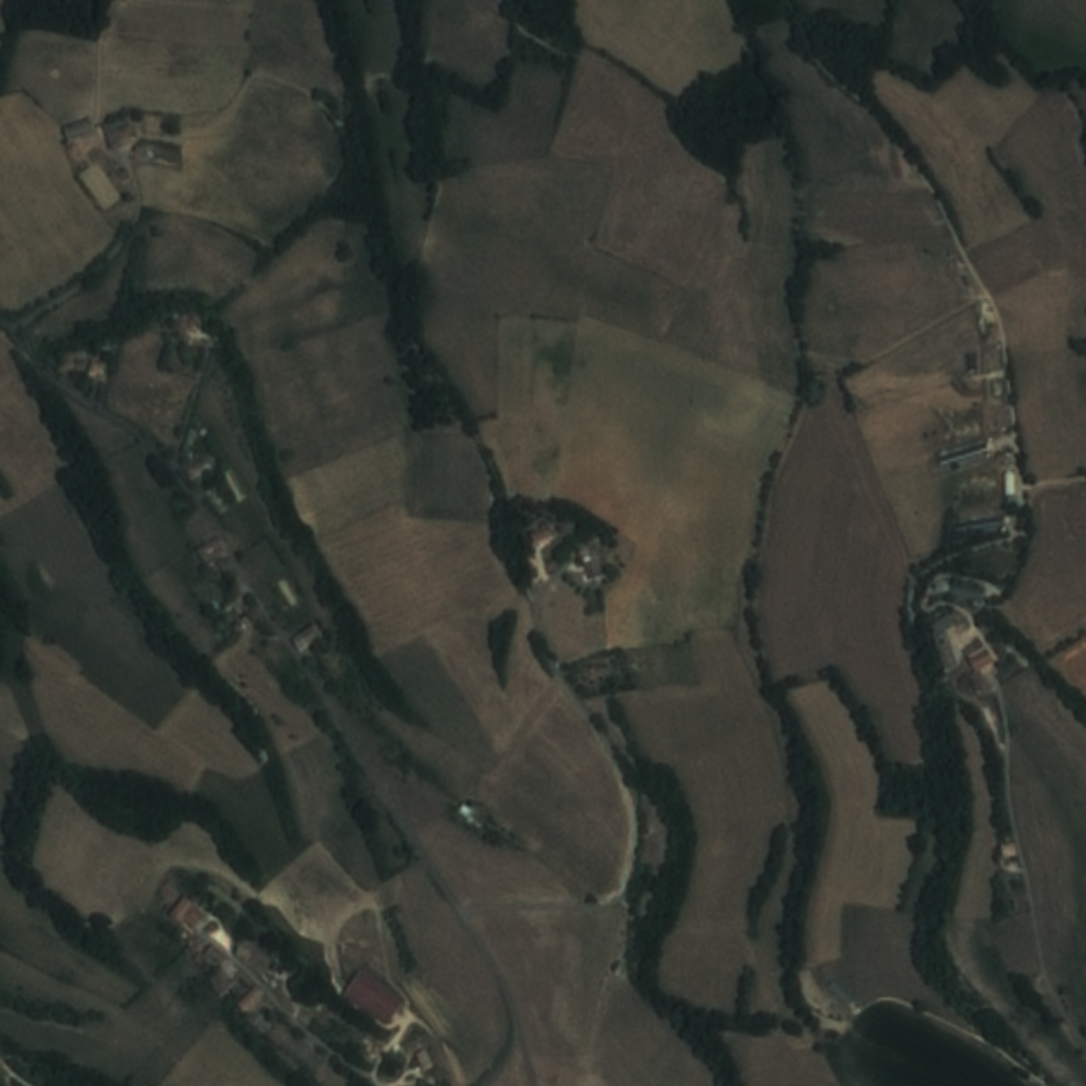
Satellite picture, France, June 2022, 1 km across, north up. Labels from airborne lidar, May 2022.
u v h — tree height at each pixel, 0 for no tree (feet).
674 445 0
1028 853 0
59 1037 0
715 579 0
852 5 0
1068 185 0
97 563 0
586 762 0
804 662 0
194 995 18
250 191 0
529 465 0
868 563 0
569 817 0
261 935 26
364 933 0
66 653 0
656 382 0
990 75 55
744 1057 0
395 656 0
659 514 0
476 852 0
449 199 0
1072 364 0
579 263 0
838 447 0
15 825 54
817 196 0
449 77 48
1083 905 0
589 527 43
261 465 33
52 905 54
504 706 0
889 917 0
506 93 43
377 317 0
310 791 0
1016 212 0
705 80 54
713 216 0
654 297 0
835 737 0
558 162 0
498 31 0
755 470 0
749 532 0
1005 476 0
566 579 29
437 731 0
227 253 0
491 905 0
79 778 46
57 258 0
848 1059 0
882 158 0
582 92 0
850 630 0
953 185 0
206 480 25
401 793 0
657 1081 0
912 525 0
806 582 0
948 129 0
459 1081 0
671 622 0
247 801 0
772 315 0
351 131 42
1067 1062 0
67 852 0
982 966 0
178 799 55
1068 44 0
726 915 0
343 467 0
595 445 0
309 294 0
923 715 37
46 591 0
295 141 0
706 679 0
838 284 0
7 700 0
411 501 0
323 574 44
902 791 42
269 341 0
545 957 0
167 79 0
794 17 38
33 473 0
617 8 0
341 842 0
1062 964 0
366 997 0
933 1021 0
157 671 0
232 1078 0
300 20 0
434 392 35
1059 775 0
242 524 0
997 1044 46
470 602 0
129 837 31
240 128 0
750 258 0
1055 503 0
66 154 0
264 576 0
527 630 0
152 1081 0
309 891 0
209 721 0
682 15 0
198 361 24
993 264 0
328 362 0
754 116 27
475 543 0
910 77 48
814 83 0
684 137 46
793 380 0
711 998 0
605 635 0
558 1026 0
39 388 37
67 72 0
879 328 0
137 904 0
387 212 35
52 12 74
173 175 0
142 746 0
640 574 0
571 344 0
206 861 0
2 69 52
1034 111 0
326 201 33
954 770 60
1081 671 0
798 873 38
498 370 0
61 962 0
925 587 25
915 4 0
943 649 0
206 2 0
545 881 0
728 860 0
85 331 41
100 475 52
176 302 31
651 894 35
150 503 0
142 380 0
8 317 33
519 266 0
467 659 0
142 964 0
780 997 0
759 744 0
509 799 0
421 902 0
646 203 0
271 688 0
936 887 55
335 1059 29
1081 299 0
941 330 0
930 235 0
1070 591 0
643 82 27
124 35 0
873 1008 0
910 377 0
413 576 0
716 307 0
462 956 0
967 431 0
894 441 0
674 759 0
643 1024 0
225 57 0
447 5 0
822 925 0
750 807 0
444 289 0
